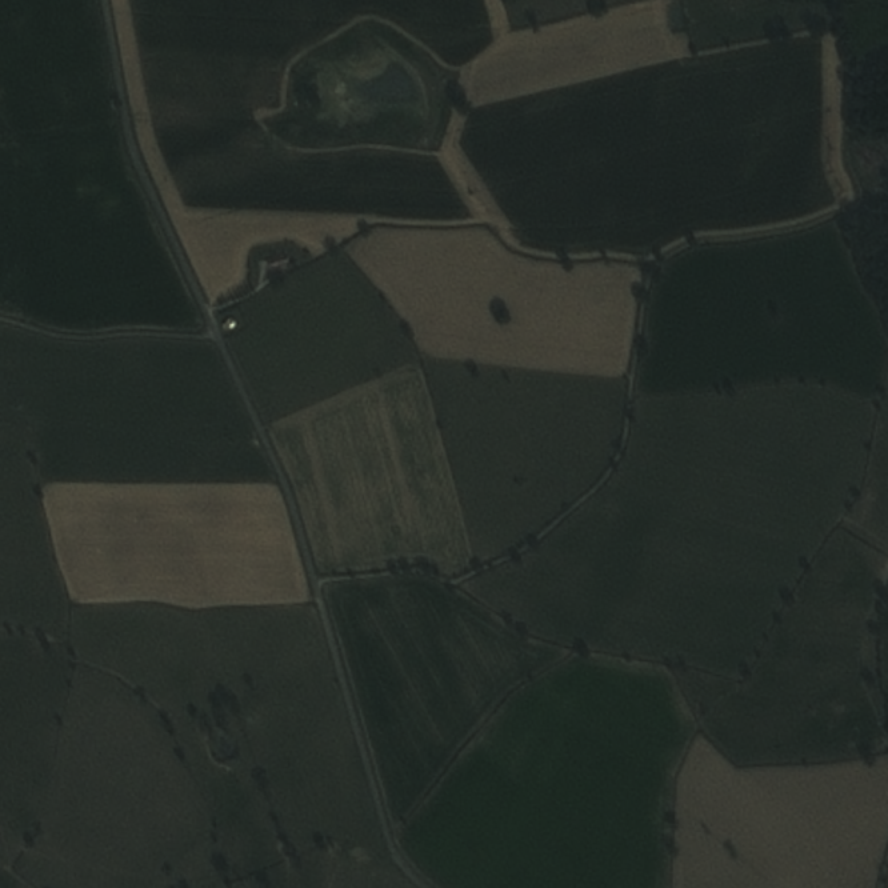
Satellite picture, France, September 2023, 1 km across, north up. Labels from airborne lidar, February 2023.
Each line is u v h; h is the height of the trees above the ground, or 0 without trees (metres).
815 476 0
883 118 8
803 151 0
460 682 0
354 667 0
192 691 0
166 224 0
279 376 0
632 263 0
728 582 0
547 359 0
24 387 0
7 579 0
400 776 0
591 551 0
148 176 0
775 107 0
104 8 0
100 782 0
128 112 0
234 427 0
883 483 0
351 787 0
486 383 0
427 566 12
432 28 0
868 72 17
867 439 0
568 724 0
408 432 0
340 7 0
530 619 0
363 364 0
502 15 0
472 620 0
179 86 0
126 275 0
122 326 0
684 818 0
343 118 0
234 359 0
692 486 0
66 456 0
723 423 0
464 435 0
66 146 0
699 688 0
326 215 0
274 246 0
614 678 0
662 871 0
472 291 0
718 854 0
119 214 0
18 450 0
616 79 0
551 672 0
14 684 0
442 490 0
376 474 0
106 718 0
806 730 0
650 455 0
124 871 0
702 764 0
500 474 0
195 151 0
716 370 0
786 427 0
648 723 0
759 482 0
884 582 0
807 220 0
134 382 0
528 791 0
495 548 0
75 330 0
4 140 0
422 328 0
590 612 0
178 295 0
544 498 0
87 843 0
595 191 0
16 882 0
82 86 0
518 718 0
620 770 0
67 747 0
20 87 0
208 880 0
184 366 0
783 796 0
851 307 0
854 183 0
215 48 0
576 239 0
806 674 0
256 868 0
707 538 0
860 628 0
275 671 0
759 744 0
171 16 0
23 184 0
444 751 0
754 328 0
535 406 0
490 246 0
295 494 0
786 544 0
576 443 0
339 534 0
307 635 0
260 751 0
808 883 0
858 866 0
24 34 0
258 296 0
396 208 0
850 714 0
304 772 0
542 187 0
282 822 10
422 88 0
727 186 0
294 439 0
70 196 0
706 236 0
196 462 0
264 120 0
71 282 0
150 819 0
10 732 0
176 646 0
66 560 0
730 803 0
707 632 0
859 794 0
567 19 0
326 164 0
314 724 0
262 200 0
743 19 0
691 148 0
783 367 0
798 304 0
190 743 0
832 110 0
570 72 0
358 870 0
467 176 0
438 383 0
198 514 0
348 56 0
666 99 0
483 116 0
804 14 0
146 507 0
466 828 0
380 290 0
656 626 0
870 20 0
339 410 0
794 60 0
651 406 0
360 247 0
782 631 0
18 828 0
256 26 0
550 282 0
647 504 0
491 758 0
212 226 0
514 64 0
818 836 0
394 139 0
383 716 0
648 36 0
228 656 0
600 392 0
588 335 0
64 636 0
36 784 0
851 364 0
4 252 0
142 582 0
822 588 0
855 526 0
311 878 0
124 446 0
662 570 0
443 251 0
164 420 0
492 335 0
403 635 0
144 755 0
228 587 0
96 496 0
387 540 0
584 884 0
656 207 0
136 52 0
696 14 0
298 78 0
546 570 0
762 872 0
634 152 0
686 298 0
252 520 0
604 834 0
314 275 0
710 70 0
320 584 0
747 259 0
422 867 0
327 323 0
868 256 18
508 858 0
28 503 0
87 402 0
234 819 0
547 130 0
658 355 0
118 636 0
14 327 0
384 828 0
